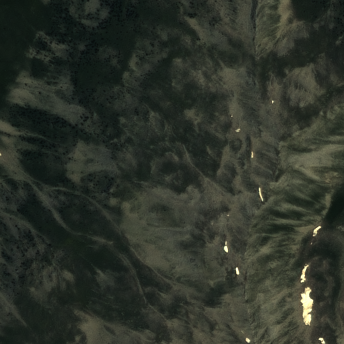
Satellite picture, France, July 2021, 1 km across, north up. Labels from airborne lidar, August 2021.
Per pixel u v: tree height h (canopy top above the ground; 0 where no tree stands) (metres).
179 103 0
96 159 0
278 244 0
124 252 0
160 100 0
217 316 0
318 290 0
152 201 0
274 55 0
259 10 0
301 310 0
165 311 0
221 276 0
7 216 0
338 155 0
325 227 0
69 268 0
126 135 0
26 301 0
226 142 0
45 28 0
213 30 0
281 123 0
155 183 0
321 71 0
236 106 0
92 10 0
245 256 0
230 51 0
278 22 0
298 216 0
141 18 0
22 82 0
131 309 0
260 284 0
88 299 0
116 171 0
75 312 0
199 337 0
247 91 0
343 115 0
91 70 0
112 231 0
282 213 0
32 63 0
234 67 0
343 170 0
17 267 0
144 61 0
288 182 0
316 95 0
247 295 0
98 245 0
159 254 0
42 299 0
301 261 0
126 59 0
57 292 0
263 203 0
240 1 0
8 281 0
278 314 0
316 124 0
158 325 0
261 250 0
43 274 0
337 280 0
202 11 0
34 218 0
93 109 0
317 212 0
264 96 0
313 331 0
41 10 0
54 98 0
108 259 0
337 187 0
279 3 0
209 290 0
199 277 0
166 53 0
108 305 0
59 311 0
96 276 0
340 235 0
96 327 0
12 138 0
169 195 0
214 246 0
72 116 0
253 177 0
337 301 0
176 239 0
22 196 0
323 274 0
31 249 0
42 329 0
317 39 0
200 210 0
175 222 0
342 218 0
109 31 0
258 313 0
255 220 0
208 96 0
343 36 0
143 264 0
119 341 0
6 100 0
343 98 0
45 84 0
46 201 0
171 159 0
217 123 0
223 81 0
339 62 0
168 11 0
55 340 0
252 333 0
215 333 0
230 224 0
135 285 0
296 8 0
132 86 0
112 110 0
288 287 0
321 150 0
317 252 0
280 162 0
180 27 0
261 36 0
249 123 0
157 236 0
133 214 0
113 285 0
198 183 0
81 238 0
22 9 0
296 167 0
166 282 0
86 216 0
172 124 0
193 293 0
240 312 0
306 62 0
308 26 0
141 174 0
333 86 0
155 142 0
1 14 0
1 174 0
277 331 0
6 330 0
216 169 0
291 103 0
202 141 0
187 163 0
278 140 0
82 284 0
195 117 0
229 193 0
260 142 0
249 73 0
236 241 0
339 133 0
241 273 0
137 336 0
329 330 0
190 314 0
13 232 0
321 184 0
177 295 0
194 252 0
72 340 0
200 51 0
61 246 0
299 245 0
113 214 0
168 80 0
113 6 6
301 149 0
